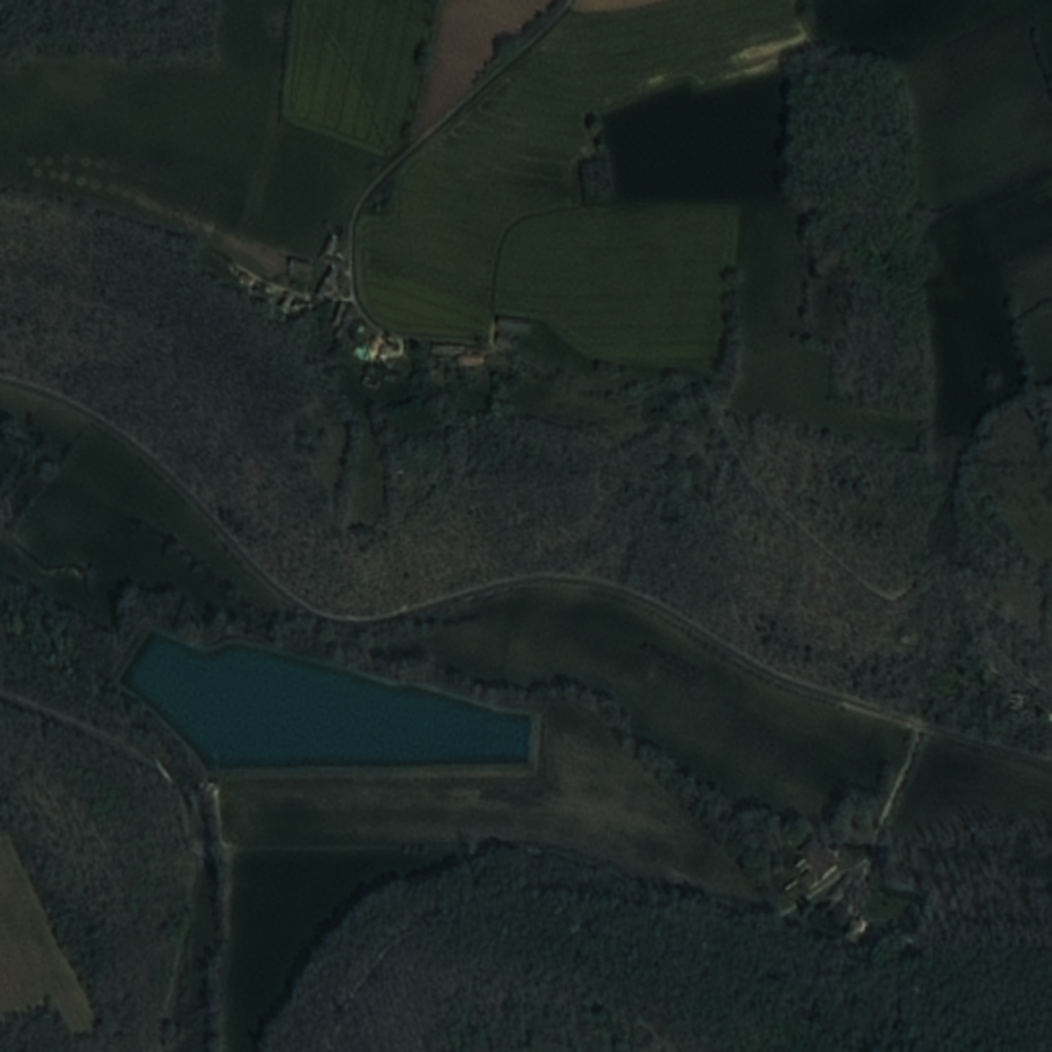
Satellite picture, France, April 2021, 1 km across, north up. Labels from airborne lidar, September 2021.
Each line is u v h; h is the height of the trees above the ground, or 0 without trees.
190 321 16
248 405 15
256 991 0
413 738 0
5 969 0
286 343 15
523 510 13
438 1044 17
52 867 19
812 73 21
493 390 8
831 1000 22
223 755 0
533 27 6
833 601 12
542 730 0
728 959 20
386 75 0
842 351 13
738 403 0
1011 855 19
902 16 0
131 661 0
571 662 0
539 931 20
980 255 0
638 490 8
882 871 27
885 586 9
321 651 17
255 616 8
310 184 0
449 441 14
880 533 11
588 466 19
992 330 0
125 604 19
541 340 0
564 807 0
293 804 0
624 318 0
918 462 16
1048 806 0
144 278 13
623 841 0
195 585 0
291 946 0
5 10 18
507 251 0
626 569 12
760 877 22
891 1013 23
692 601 14
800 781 0
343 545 12
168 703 0
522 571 17
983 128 0
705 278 0
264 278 0
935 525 7
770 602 12
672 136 0
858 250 22
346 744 0
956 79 0
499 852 18
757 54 0
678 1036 14
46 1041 17
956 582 20
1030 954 34
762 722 0
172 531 0
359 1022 13
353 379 0
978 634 15
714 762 0
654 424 8
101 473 0
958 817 0
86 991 9
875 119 22
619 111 0
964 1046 22
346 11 0
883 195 24
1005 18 0
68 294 11
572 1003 20
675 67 0
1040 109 0
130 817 14
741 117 0
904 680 9
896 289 26
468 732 0
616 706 16
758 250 0
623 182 0
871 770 0
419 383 11
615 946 21
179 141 0
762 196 0
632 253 0
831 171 18
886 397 11
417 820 0
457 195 0
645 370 0
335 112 0
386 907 19
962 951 33
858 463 12
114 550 0
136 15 18
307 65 0
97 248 13
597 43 0
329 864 0
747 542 15
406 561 8
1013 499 0
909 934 13
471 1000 18
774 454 8
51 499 0
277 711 0
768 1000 20
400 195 0
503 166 0
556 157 0
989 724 17
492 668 0
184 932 16
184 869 14
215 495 10
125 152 0
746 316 0
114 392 18
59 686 22
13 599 22
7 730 13
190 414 13
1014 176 0
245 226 0
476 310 0
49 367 10
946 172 0
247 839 0
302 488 13
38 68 0
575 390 13
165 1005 17
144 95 0
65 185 0
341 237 13
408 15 0
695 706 0
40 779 19
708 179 0
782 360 0
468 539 11
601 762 0
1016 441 0
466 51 0
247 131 0
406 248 0
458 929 17
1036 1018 20
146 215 0
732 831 23
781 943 22
